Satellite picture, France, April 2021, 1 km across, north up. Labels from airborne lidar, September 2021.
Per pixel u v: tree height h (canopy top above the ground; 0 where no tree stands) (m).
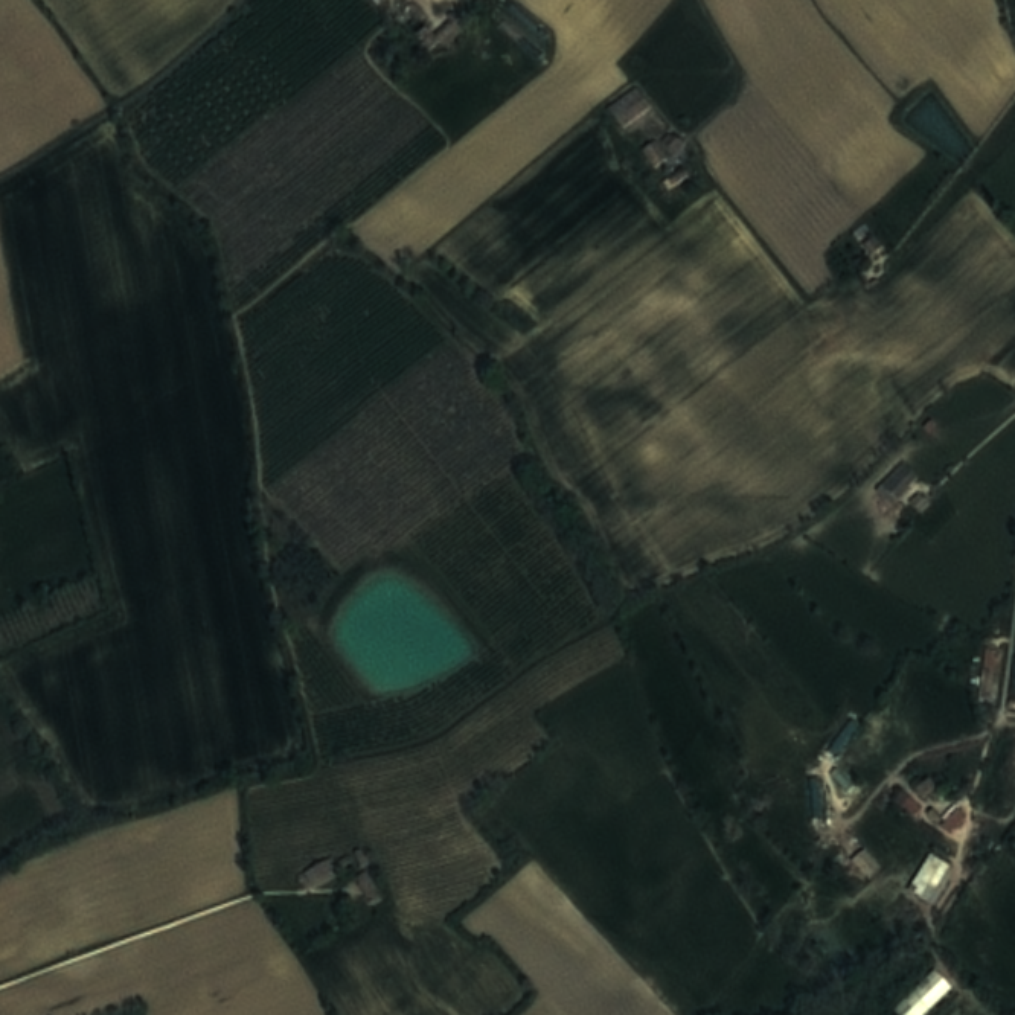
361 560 0
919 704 0
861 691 0
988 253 0
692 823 15
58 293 0
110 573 0
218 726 0
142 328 0
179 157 7
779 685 0
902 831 0
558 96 0
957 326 0
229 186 5
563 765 0
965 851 0
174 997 0
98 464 0
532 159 0
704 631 0
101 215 0
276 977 0
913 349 0
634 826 0
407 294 10
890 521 0
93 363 0
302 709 10
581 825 0
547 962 0
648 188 8
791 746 0
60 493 0
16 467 7
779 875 0
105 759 0
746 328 0
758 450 0
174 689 0
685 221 0
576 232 0
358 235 0
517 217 0
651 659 0
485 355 0
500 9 0
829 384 0
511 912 0
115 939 0
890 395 0
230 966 0
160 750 0
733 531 0
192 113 6
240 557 0
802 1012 17
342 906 18
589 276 0
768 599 0
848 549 0
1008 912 0
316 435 6
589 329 0
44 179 0
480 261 0
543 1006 0
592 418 0
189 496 0
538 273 0
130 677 0
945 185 10
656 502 0
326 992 0
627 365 0
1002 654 0
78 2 0
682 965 0
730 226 0
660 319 0
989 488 0
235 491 0
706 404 0
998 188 0
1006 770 0
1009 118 0
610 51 0
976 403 0
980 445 0
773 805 0
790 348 0
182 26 0
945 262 0
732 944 0
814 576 0
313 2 6
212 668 0
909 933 17
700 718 0
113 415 0
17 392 0
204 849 0
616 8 0
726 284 0
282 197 5
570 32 0
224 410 0
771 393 0
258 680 0
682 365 0
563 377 0
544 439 0
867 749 0
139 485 0
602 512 0
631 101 0
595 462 0
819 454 0
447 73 0
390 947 0
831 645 0
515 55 0
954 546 0
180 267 0
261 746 0
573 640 0
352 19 6
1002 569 0
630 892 0
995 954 0
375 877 10
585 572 21
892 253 12
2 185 0
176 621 0
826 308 0
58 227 0
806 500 0
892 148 0
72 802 17
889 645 0
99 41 0
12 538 0
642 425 0
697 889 0
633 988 0
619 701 0
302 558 20
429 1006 0
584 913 0
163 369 0
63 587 10
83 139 0
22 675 0
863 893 0
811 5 0
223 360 0
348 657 0
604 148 0
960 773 0
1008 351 0
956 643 11
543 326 0
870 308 0
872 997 22
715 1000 0
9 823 0
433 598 0
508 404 10
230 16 9
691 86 0
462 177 0
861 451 0
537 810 0
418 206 0
